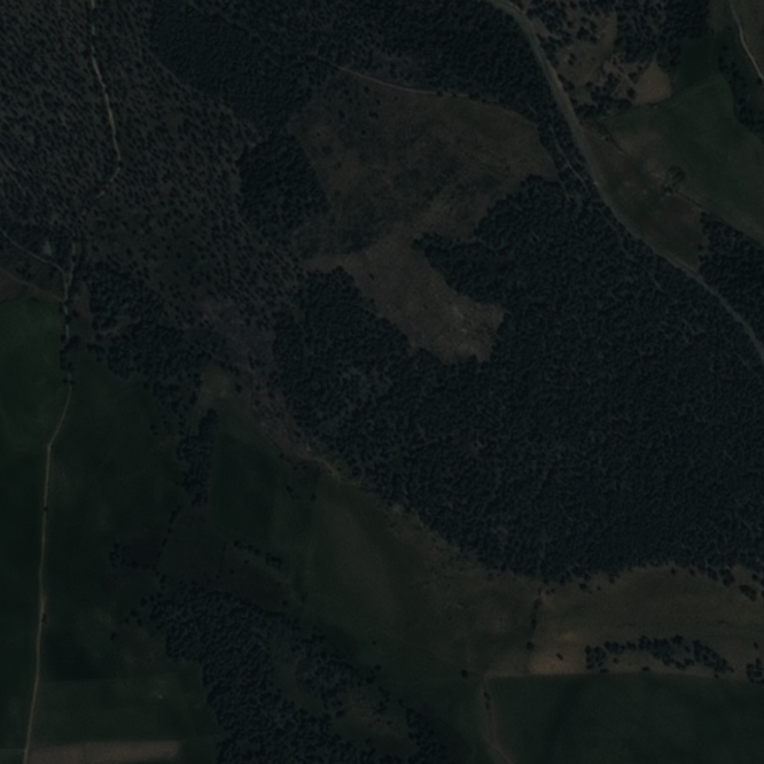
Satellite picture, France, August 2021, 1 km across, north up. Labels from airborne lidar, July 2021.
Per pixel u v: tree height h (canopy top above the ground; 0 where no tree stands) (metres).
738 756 0
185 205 8
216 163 11
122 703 0
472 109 0
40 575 0
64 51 13
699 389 12
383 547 0
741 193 0
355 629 0
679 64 8
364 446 13
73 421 0
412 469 10
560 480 14
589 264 14
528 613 0
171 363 12
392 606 0
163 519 0
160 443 0
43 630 0
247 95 14
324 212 7
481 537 12
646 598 0
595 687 0
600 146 0
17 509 0
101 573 0
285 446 0
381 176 0
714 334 13
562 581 9
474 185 0
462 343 0
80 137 15
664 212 0
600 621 0
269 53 13
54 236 9
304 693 0
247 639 17
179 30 13
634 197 0
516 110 12
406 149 0
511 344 12
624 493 14
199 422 0
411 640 0
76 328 0
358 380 11
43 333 0
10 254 0
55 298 0
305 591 0
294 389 10
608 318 14
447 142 0
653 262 13
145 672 0
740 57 0
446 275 12
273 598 0
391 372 11
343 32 11
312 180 14
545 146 16
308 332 11
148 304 14
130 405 0
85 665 0
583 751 0
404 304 0
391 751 0
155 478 0
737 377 13
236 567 0
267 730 17
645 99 0
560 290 13
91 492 0
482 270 11
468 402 11
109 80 11
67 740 0
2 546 0
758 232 0
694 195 0
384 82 0
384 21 15
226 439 0
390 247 0
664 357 12
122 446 0
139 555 0
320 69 12
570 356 18
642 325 17
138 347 14
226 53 15
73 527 0
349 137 0
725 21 0
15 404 0
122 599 0
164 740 0
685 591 0
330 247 0
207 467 12
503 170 0
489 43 17
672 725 0
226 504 0
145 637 0
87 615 0
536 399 13
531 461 13
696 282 12
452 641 0
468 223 0
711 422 11
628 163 0
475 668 0
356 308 12
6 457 0
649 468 16
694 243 0
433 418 13
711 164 0
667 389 18
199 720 0
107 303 17
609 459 16
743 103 10
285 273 10
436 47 16
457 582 0
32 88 9
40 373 0
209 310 0
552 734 0
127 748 0
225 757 15
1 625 0
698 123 0
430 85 7
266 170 14
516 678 0
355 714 0
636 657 0
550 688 0
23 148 11
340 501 0
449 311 0
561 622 0
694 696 0
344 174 0
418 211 0
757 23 0
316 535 0
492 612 0
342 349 8
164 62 11
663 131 0
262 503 0
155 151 10
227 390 0
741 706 0
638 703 0
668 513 12
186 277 0
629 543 12
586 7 14
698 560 12
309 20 10
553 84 0
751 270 12
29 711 0
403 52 8
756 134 0
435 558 0
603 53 0
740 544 14
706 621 0
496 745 0
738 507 15
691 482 17
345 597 0
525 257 14
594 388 12
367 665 0
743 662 0
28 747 0
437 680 0
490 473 8
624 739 0
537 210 16
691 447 15
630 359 13
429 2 15
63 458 0
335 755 14
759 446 13
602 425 19
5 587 0
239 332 0
